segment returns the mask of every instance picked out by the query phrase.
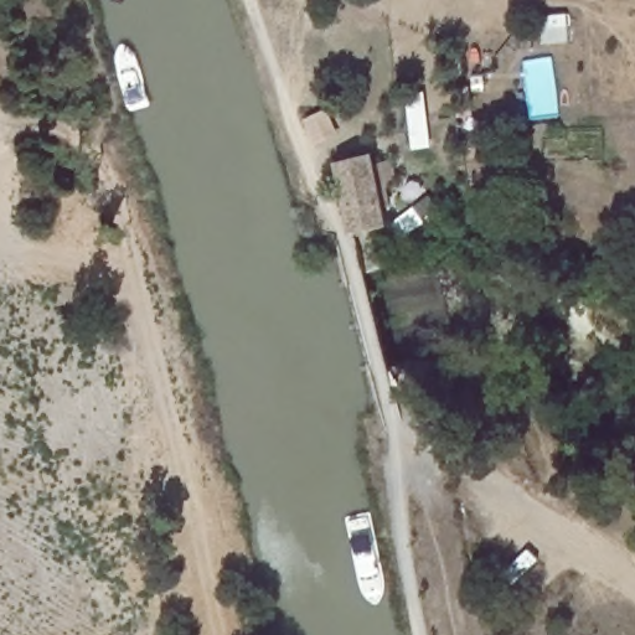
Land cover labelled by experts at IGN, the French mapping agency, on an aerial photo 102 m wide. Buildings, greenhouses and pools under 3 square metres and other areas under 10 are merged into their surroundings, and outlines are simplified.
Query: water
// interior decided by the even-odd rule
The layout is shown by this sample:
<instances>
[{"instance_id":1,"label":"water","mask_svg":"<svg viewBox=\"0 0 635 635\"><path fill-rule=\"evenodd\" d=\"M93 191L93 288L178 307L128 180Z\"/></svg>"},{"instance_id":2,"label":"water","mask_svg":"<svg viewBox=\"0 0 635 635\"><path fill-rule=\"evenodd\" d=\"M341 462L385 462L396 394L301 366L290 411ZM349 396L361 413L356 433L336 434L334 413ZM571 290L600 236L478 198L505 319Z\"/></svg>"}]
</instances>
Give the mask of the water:
<instances>
[{"instance_id":1,"label":"water","mask_svg":"<svg viewBox=\"0 0 635 635\"><path fill-rule=\"evenodd\" d=\"M238 506L248 504L260 561L278 571L280 578L280 610L298 623L303 635L394 635L389 603L382 598L384 575L380 566L377 531L372 526L355 456L355 434L362 424L365 407L372 402L365 370L367 357L362 350L350 290L342 285L340 278L337 258L315 280L303 280L293 273L290 260L295 255L295 243L300 236L290 221L293 208L288 193L293 193L295 189L290 186L285 156L275 139L275 127L268 119L268 109L260 97L253 62L246 57L246 47L238 40L236 25L228 15L228 5L223 0L107 0L102 5L102 12L109 42L117 47L114 67L124 107L136 117L136 129L146 146L144 156L154 166L151 179L159 179L156 196L164 198L169 213L169 236L176 243L179 273L184 278L181 293L186 293L191 300L196 325L203 332L203 340L198 345L203 347L216 372L216 397L223 419L223 437L233 456L233 466L238 471L233 486Z\"/></svg>"}]
</instances>

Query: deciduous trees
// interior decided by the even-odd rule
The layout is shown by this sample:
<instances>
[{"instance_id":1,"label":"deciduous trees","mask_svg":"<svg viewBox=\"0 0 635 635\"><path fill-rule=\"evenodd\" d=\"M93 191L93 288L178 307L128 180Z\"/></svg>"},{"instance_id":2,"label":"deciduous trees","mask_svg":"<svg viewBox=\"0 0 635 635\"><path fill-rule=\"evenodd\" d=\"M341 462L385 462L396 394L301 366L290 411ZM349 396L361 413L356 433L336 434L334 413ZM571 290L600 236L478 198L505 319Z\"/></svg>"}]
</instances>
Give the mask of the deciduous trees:
<instances>
[{"instance_id":1,"label":"deciduous trees","mask_svg":"<svg viewBox=\"0 0 635 635\"><path fill-rule=\"evenodd\" d=\"M300 193L300 189L295 189L293 193L288 193L293 208L290 221L300 236L295 243L295 255L290 260L293 273L303 280L315 280L337 258L335 233L322 228L318 206L310 198L310 193Z\"/></svg>"},{"instance_id":2,"label":"deciduous trees","mask_svg":"<svg viewBox=\"0 0 635 635\"><path fill-rule=\"evenodd\" d=\"M476 543L471 558L464 563L459 583L461 608L466 613L474 613L489 628L489 635L528 635L533 625L536 603L543 600L543 583L543 571L536 571L533 566L518 568L518 553L511 541L489 538Z\"/></svg>"},{"instance_id":3,"label":"deciduous trees","mask_svg":"<svg viewBox=\"0 0 635 635\"><path fill-rule=\"evenodd\" d=\"M330 117L340 114L345 119L352 119L365 109L372 72L367 77L350 77L318 64L310 89L318 99L310 107L300 107L303 117L313 117L320 112Z\"/></svg>"},{"instance_id":4,"label":"deciduous trees","mask_svg":"<svg viewBox=\"0 0 635 635\"><path fill-rule=\"evenodd\" d=\"M474 129L449 127L444 146L454 154L466 154L466 146L476 146L481 171L459 171L454 174L451 186L444 176L437 176L434 171L412 174L409 181L419 184L422 191L429 196L429 211L422 216L422 226L417 226L414 231L402 231L394 223L397 213L389 208L389 196L397 186L402 186L404 166L394 169L389 184L382 184L380 161L372 161L372 181L377 206L382 213L382 228L372 231L367 238L352 241L384 367L394 377L389 397L397 407L404 407L412 414L409 427L417 432L414 454L429 451L444 471L444 481L446 494L456 491L461 484L461 476L466 474L471 479L484 479L499 469L501 474L511 474L528 494L551 494L556 499L563 499L580 518L595 523L613 541L625 543L630 551L635 551L635 189L615 193L613 203L600 211L598 231L588 243L578 238L580 231L575 213L566 206L566 198L558 191L556 169L551 161L556 156L563 156L566 161L593 161L598 169L620 171L623 159L618 156L615 146L608 144L608 131L600 117L583 117L575 124L566 124L558 114L551 119L531 119L526 99L516 97L513 92L504 92L504 97L486 102L481 92L474 92L469 79L496 72L499 60L491 60L489 64L469 64L469 27L461 20L429 20L427 37L434 42L437 84L442 87L442 92L449 94L449 102L439 109L439 119L446 119L454 112L471 112L474 117ZM571 330L571 308L575 310L575 315L590 318L593 325L588 335L575 335Z\"/></svg>"},{"instance_id":5,"label":"deciduous trees","mask_svg":"<svg viewBox=\"0 0 635 635\"><path fill-rule=\"evenodd\" d=\"M112 484L107 481L97 474L89 474L89 484L79 489L79 504L87 508L97 501L112 499Z\"/></svg>"},{"instance_id":6,"label":"deciduous trees","mask_svg":"<svg viewBox=\"0 0 635 635\"><path fill-rule=\"evenodd\" d=\"M546 635L571 635L568 625L573 618L573 608L568 603L561 603L548 610Z\"/></svg>"},{"instance_id":7,"label":"deciduous trees","mask_svg":"<svg viewBox=\"0 0 635 635\"><path fill-rule=\"evenodd\" d=\"M193 352L196 362L191 375L191 380L198 384L198 394L193 397L196 432L198 439L206 446L211 446L216 469L233 486L238 471L233 466L233 456L223 437L223 419L216 397L216 372L203 347L198 345L203 340L203 332L196 325L191 300L186 293L181 293L184 278L179 273L176 243L169 236L169 213L164 198L156 196L159 179L151 179L154 166L144 156L146 146L136 129L136 117L124 107L114 67L117 47L109 42L102 12L102 5L107 0L0 0L0 107L2 112L15 117L12 122L20 129L20 134L15 136L15 156L22 176L20 203L12 213L15 226L35 241L50 238L60 213L60 201L72 191L79 193L82 203L89 211L99 213L99 223L107 228L109 243L119 246L124 231L117 226L114 218L124 198L134 198L139 213L146 216L146 221L151 223L151 246L141 251L146 290L174 290L179 330L186 350Z\"/></svg>"},{"instance_id":8,"label":"deciduous trees","mask_svg":"<svg viewBox=\"0 0 635 635\"><path fill-rule=\"evenodd\" d=\"M315 27L332 25L345 0L305 0L308 15Z\"/></svg>"},{"instance_id":9,"label":"deciduous trees","mask_svg":"<svg viewBox=\"0 0 635 635\"><path fill-rule=\"evenodd\" d=\"M72 556L79 556L87 563L97 566L94 578L104 580L107 573L119 563L114 563L109 556L99 551L97 541L87 531L87 521L82 518L72 523L57 523L60 548L52 553L52 558L57 563L64 563Z\"/></svg>"},{"instance_id":10,"label":"deciduous trees","mask_svg":"<svg viewBox=\"0 0 635 635\"><path fill-rule=\"evenodd\" d=\"M42 459L55 459L57 464L62 464L62 459L69 454L67 449L50 449L45 432L25 432L22 451L40 454Z\"/></svg>"},{"instance_id":11,"label":"deciduous trees","mask_svg":"<svg viewBox=\"0 0 635 635\"><path fill-rule=\"evenodd\" d=\"M15 352L12 357L20 372L27 377L37 375L37 357L30 355L25 360L22 352Z\"/></svg>"},{"instance_id":12,"label":"deciduous trees","mask_svg":"<svg viewBox=\"0 0 635 635\"><path fill-rule=\"evenodd\" d=\"M181 598L176 588L184 573L184 558L176 553L174 536L184 526L184 501L189 496L186 486L181 484L181 479L166 474L164 466L154 466L151 474L141 494L136 523L139 536L131 548L134 563L144 573L144 588L139 590L141 598L151 600L159 593L164 600L156 623L156 635L198 635L201 625L191 610L191 600Z\"/></svg>"},{"instance_id":13,"label":"deciduous trees","mask_svg":"<svg viewBox=\"0 0 635 635\"><path fill-rule=\"evenodd\" d=\"M94 367L97 345L124 350L129 347L129 305L117 300L117 293L122 288L122 273L109 268L104 251L94 253L92 263L82 265L72 280L60 280L52 285L32 283L30 293L40 293L42 300L62 303L60 315L64 352L60 362L64 365L69 362L77 347L82 350L79 367L89 370Z\"/></svg>"},{"instance_id":14,"label":"deciduous trees","mask_svg":"<svg viewBox=\"0 0 635 635\"><path fill-rule=\"evenodd\" d=\"M412 87L397 84L392 79L392 84L380 97L384 131L394 134L397 129L394 107L407 109L419 97Z\"/></svg>"},{"instance_id":15,"label":"deciduous trees","mask_svg":"<svg viewBox=\"0 0 635 635\"><path fill-rule=\"evenodd\" d=\"M332 201L342 193L340 181L332 174L337 161L330 156L325 159L318 189L322 198Z\"/></svg>"},{"instance_id":16,"label":"deciduous trees","mask_svg":"<svg viewBox=\"0 0 635 635\"><path fill-rule=\"evenodd\" d=\"M402 593L402 578L397 568L397 551L392 541L392 518L384 479L384 456L389 449L387 427L372 402L365 407L362 424L355 434L355 456L372 526L377 531L380 566L384 575L382 598L389 603L394 635L412 635L407 603Z\"/></svg>"},{"instance_id":17,"label":"deciduous trees","mask_svg":"<svg viewBox=\"0 0 635 635\"><path fill-rule=\"evenodd\" d=\"M221 605L233 605L238 613L238 630L233 635L303 635L298 623L280 610L280 578L278 571L260 561L248 504L238 506L238 531L243 533L246 551L241 556L228 553L223 558L216 593Z\"/></svg>"}]
</instances>

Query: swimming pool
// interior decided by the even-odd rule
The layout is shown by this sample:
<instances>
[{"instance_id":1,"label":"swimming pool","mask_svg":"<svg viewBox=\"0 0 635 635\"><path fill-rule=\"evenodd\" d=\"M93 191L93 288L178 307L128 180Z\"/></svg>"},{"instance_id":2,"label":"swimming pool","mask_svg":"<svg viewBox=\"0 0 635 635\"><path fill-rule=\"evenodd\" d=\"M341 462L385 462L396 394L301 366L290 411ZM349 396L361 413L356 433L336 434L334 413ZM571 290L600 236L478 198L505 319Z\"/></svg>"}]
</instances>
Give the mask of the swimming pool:
<instances>
[{"instance_id":1,"label":"swimming pool","mask_svg":"<svg viewBox=\"0 0 635 635\"><path fill-rule=\"evenodd\" d=\"M521 82L526 89L526 99L531 119L551 119L558 114L553 64L546 57L528 60L523 64Z\"/></svg>"}]
</instances>

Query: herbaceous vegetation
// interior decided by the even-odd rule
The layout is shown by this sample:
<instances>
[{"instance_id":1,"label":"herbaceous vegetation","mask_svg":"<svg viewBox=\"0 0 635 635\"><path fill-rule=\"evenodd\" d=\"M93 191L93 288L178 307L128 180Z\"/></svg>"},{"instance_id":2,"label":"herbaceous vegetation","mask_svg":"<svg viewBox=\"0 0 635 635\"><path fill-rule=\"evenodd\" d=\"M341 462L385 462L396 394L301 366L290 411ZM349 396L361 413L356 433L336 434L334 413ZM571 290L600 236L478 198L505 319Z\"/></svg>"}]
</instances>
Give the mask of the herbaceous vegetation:
<instances>
[{"instance_id":1,"label":"herbaceous vegetation","mask_svg":"<svg viewBox=\"0 0 635 635\"><path fill-rule=\"evenodd\" d=\"M571 330L575 335L588 335L593 325L590 318L575 315L575 310L571 308Z\"/></svg>"},{"instance_id":2,"label":"herbaceous vegetation","mask_svg":"<svg viewBox=\"0 0 635 635\"><path fill-rule=\"evenodd\" d=\"M30 513L7 518L7 496L22 489L20 476L10 474L10 461L22 451L25 432L20 427L5 424L10 402L22 399L20 392L12 389L7 389L0 397L0 635L119 635L112 625L99 625L92 623L89 605L94 598L84 595L79 575L72 583L67 583L69 571L64 563L57 563L52 558L42 556L45 538L27 531Z\"/></svg>"},{"instance_id":3,"label":"herbaceous vegetation","mask_svg":"<svg viewBox=\"0 0 635 635\"><path fill-rule=\"evenodd\" d=\"M489 635L489 628L474 613L466 613L461 608L459 583L464 563L471 558L476 543L489 538L484 531L484 518L476 513L471 494L461 484L456 491L446 494L444 481L429 496L407 499L409 548L414 561L414 575L419 583L419 605L427 635Z\"/></svg>"},{"instance_id":4,"label":"herbaceous vegetation","mask_svg":"<svg viewBox=\"0 0 635 635\"><path fill-rule=\"evenodd\" d=\"M30 293L32 283L25 280L15 285L0 285L0 377L15 382L20 372L12 357L15 352L22 352L25 360L30 355L37 357L37 375L60 375L64 372L64 365L60 362L64 352L60 315L62 303L42 300L40 293Z\"/></svg>"},{"instance_id":5,"label":"herbaceous vegetation","mask_svg":"<svg viewBox=\"0 0 635 635\"><path fill-rule=\"evenodd\" d=\"M528 635L546 635L548 610L561 603L568 603L573 608L573 618L568 625L571 635L635 635L635 605L630 600L610 600L590 608L580 593L578 571L563 571L548 585L543 583L543 600L536 603L533 625Z\"/></svg>"},{"instance_id":6,"label":"herbaceous vegetation","mask_svg":"<svg viewBox=\"0 0 635 635\"><path fill-rule=\"evenodd\" d=\"M216 593L211 588L201 588L198 571L191 563L198 556L203 556L203 548L201 541L184 526L174 536L176 553L184 558L184 573L176 588L181 598L191 600L191 610L201 625L198 635L233 635L238 630L238 613L233 605L221 605Z\"/></svg>"}]
</instances>

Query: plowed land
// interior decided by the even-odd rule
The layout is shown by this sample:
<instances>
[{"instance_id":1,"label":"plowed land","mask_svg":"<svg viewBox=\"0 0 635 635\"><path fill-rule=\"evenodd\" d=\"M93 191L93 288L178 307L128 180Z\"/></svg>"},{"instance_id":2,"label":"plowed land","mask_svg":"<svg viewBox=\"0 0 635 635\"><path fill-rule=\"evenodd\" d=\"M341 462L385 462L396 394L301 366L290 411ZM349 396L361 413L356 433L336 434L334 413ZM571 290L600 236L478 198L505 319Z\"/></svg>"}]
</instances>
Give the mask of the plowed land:
<instances>
[{"instance_id":1,"label":"plowed land","mask_svg":"<svg viewBox=\"0 0 635 635\"><path fill-rule=\"evenodd\" d=\"M69 571L67 583L72 583L79 575L84 595L94 598L89 605L92 623L99 625L99 615L119 613L112 603L109 583L104 580L94 578L97 566L87 563L79 556L72 556L64 563Z\"/></svg>"},{"instance_id":2,"label":"plowed land","mask_svg":"<svg viewBox=\"0 0 635 635\"><path fill-rule=\"evenodd\" d=\"M146 290L141 251L151 246L151 223L146 221L146 216L139 213L134 198L124 198L114 218L117 226L124 231L119 246L109 243L107 228L99 223L94 253L104 251L109 268L122 273L122 288L117 293L117 300L129 305L129 347L124 350L97 345L94 367L89 370L79 367L82 350L77 347L69 362L64 365L64 372L60 375L37 375L27 377L20 372L15 382L0 377L0 397L7 389L12 389L20 392L22 399L22 404L40 404L42 412L50 417L50 429L45 432L50 449L67 449L69 454L74 456L72 466L89 461L89 474L97 474L107 481L112 479L112 474L151 474L154 466L164 466L166 474L181 479L181 484L186 486L189 496L184 501L184 526L201 541L203 548L203 556L198 556L191 563L198 571L201 588L211 588L216 593L223 558L228 553L241 556L246 551L243 533L238 531L238 506L233 486L216 469L211 446L206 446L198 439L196 432L193 397L198 394L198 384L191 380L191 375L196 362L193 352L186 350L179 330L174 290Z\"/></svg>"},{"instance_id":3,"label":"plowed land","mask_svg":"<svg viewBox=\"0 0 635 635\"><path fill-rule=\"evenodd\" d=\"M124 580L127 585L139 590L144 588L144 573L134 563L124 568Z\"/></svg>"},{"instance_id":4,"label":"plowed land","mask_svg":"<svg viewBox=\"0 0 635 635\"><path fill-rule=\"evenodd\" d=\"M114 518L122 513L119 501L112 499L97 501L87 508L82 518L87 521L97 521L97 516L104 516L104 521L114 523Z\"/></svg>"}]
</instances>

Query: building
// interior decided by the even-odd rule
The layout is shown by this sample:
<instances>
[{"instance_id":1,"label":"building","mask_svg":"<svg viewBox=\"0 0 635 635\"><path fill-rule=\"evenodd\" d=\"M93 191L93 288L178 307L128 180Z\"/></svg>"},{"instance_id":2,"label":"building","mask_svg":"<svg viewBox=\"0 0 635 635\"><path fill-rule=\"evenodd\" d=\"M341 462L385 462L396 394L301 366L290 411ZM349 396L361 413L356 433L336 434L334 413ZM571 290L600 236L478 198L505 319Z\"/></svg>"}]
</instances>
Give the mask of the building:
<instances>
[{"instance_id":1,"label":"building","mask_svg":"<svg viewBox=\"0 0 635 635\"><path fill-rule=\"evenodd\" d=\"M330 117L320 112L313 117L303 117L300 124L305 134L325 159L330 156L337 141L332 139L335 129L330 124Z\"/></svg>"},{"instance_id":2,"label":"building","mask_svg":"<svg viewBox=\"0 0 635 635\"><path fill-rule=\"evenodd\" d=\"M429 146L424 102L419 97L407 109L409 146Z\"/></svg>"},{"instance_id":3,"label":"building","mask_svg":"<svg viewBox=\"0 0 635 635\"><path fill-rule=\"evenodd\" d=\"M340 181L342 193L332 201L352 241L367 238L372 231L382 228L382 213L377 206L372 181L372 161L370 156L352 156L337 161L332 174Z\"/></svg>"}]
</instances>

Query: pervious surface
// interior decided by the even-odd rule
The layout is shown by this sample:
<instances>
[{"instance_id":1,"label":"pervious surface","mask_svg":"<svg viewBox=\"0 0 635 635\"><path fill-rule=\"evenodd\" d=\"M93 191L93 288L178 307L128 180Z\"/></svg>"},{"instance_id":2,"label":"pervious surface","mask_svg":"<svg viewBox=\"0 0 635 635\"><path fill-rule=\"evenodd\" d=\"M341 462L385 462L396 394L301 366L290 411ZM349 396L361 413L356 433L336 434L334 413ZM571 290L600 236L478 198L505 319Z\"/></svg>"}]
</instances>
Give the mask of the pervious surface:
<instances>
[{"instance_id":1,"label":"pervious surface","mask_svg":"<svg viewBox=\"0 0 635 635\"><path fill-rule=\"evenodd\" d=\"M35 241L15 226L12 213L20 203L22 176L15 156L15 136L20 134L20 129L12 122L15 117L2 112L0 107L0 285L15 285L25 280L32 283L52 285L60 280L72 280L82 265L92 263L94 253L99 223L99 213L89 211L82 203L79 193L72 191L60 201L60 213L50 238Z\"/></svg>"},{"instance_id":2,"label":"pervious surface","mask_svg":"<svg viewBox=\"0 0 635 635\"><path fill-rule=\"evenodd\" d=\"M499 469L484 479L471 479L466 474L461 476L461 484L471 494L476 513L484 518L484 531L489 538L511 541L518 553L518 568L533 566L536 571L543 571L543 583L548 585L563 571L578 571L580 593L590 608L610 600L630 600L635 605L635 551L630 551L625 543L613 541L595 523L580 518L563 499L556 499L551 494L528 494L511 474L501 474Z\"/></svg>"},{"instance_id":3,"label":"pervious surface","mask_svg":"<svg viewBox=\"0 0 635 635\"><path fill-rule=\"evenodd\" d=\"M442 87L437 84L434 42L427 37L429 20L461 20L469 27L469 64L489 64L491 60L499 60L496 72L469 79L474 92L481 92L486 102L504 97L504 92L513 92L516 97L526 99L526 89L521 82L523 64L528 60L546 57L553 64L558 114L566 124L575 124L583 117L600 117L608 131L608 144L615 146L618 156L623 159L620 171L598 169L593 161L566 161L563 156L556 156L551 161L556 169L558 191L566 198L566 206L575 213L580 231L578 238L588 243L598 231L600 211L613 203L615 193L635 189L635 0L345 0L332 25L315 27L308 15L305 0L223 0L228 5L228 15L236 25L238 40L246 47L246 57L253 62L260 97L268 109L268 119L275 127L275 139L285 156L290 186L295 189L300 189L300 193L310 193L310 198L318 206L322 228L335 233L337 258L340 278L342 285L350 290L362 350L367 357L365 370L372 402L387 427L389 449L384 456L384 479L392 518L392 541L397 551L397 568L402 578L402 593L407 603L412 635L427 635L419 605L419 583L414 575L414 561L409 548L407 499L429 496L444 481L444 471L429 451L414 454L417 432L409 427L412 414L404 407L397 407L389 397L394 377L384 367L352 241L332 201L322 198L318 189L325 159L305 134L300 124L303 117L300 107L310 107L318 99L310 89L318 64L350 77L367 77L372 72L365 109L352 119L345 119L340 114L330 117L330 124L335 129L332 139L337 141L330 156L337 161L352 156L370 156L372 161L380 161L382 184L389 184L394 169L404 166L402 186L397 186L389 196L389 208L397 213L394 223L402 231L414 231L417 226L422 226L422 216L429 211L429 196L422 191L419 184L409 181L412 174L434 171L437 176L444 176L451 186L454 174L459 171L481 171L476 146L466 146L466 154L454 154L444 146L449 127L474 129L474 117L471 112L454 112L446 119L439 119L439 109L449 102L449 94L442 92ZM394 107L397 129L394 134L384 131L380 97L392 84L392 79L397 84L412 87L419 97L424 102L429 146L409 146L407 109Z\"/></svg>"}]
</instances>

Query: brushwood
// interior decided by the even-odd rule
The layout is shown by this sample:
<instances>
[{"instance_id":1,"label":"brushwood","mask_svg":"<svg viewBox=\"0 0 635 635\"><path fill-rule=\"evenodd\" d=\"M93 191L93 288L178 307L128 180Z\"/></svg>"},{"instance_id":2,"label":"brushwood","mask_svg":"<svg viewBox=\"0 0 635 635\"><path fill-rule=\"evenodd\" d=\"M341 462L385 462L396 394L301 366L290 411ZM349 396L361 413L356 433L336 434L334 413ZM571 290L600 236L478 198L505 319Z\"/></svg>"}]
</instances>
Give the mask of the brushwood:
<instances>
[{"instance_id":1,"label":"brushwood","mask_svg":"<svg viewBox=\"0 0 635 635\"><path fill-rule=\"evenodd\" d=\"M97 521L87 521L87 531L97 541L99 551L109 556L114 563L119 563L107 573L104 580L109 583L112 603L119 613L99 615L99 625L112 625L119 635L156 635L156 623L164 600L159 593L151 600L141 598L139 590L127 585L124 580L124 568L134 563L131 548L139 536L136 523L141 494L151 474L112 474L112 479L107 481L112 484L112 499L119 501L122 513L114 518L114 523L104 521L104 516L97 516Z\"/></svg>"},{"instance_id":2,"label":"brushwood","mask_svg":"<svg viewBox=\"0 0 635 635\"><path fill-rule=\"evenodd\" d=\"M7 496L7 518L30 513L27 531L45 538L42 556L52 558L52 553L60 548L57 523L72 523L82 518L87 508L79 504L79 489L89 484L89 474L89 461L72 466L74 456L69 454L62 459L62 464L57 464L55 459L42 459L40 454L22 451L10 461L10 474L20 476L22 489Z\"/></svg>"},{"instance_id":3,"label":"brushwood","mask_svg":"<svg viewBox=\"0 0 635 635\"><path fill-rule=\"evenodd\" d=\"M25 432L45 432L50 429L50 417L42 412L40 404L22 404L22 399L10 402L5 424L20 427Z\"/></svg>"}]
</instances>

